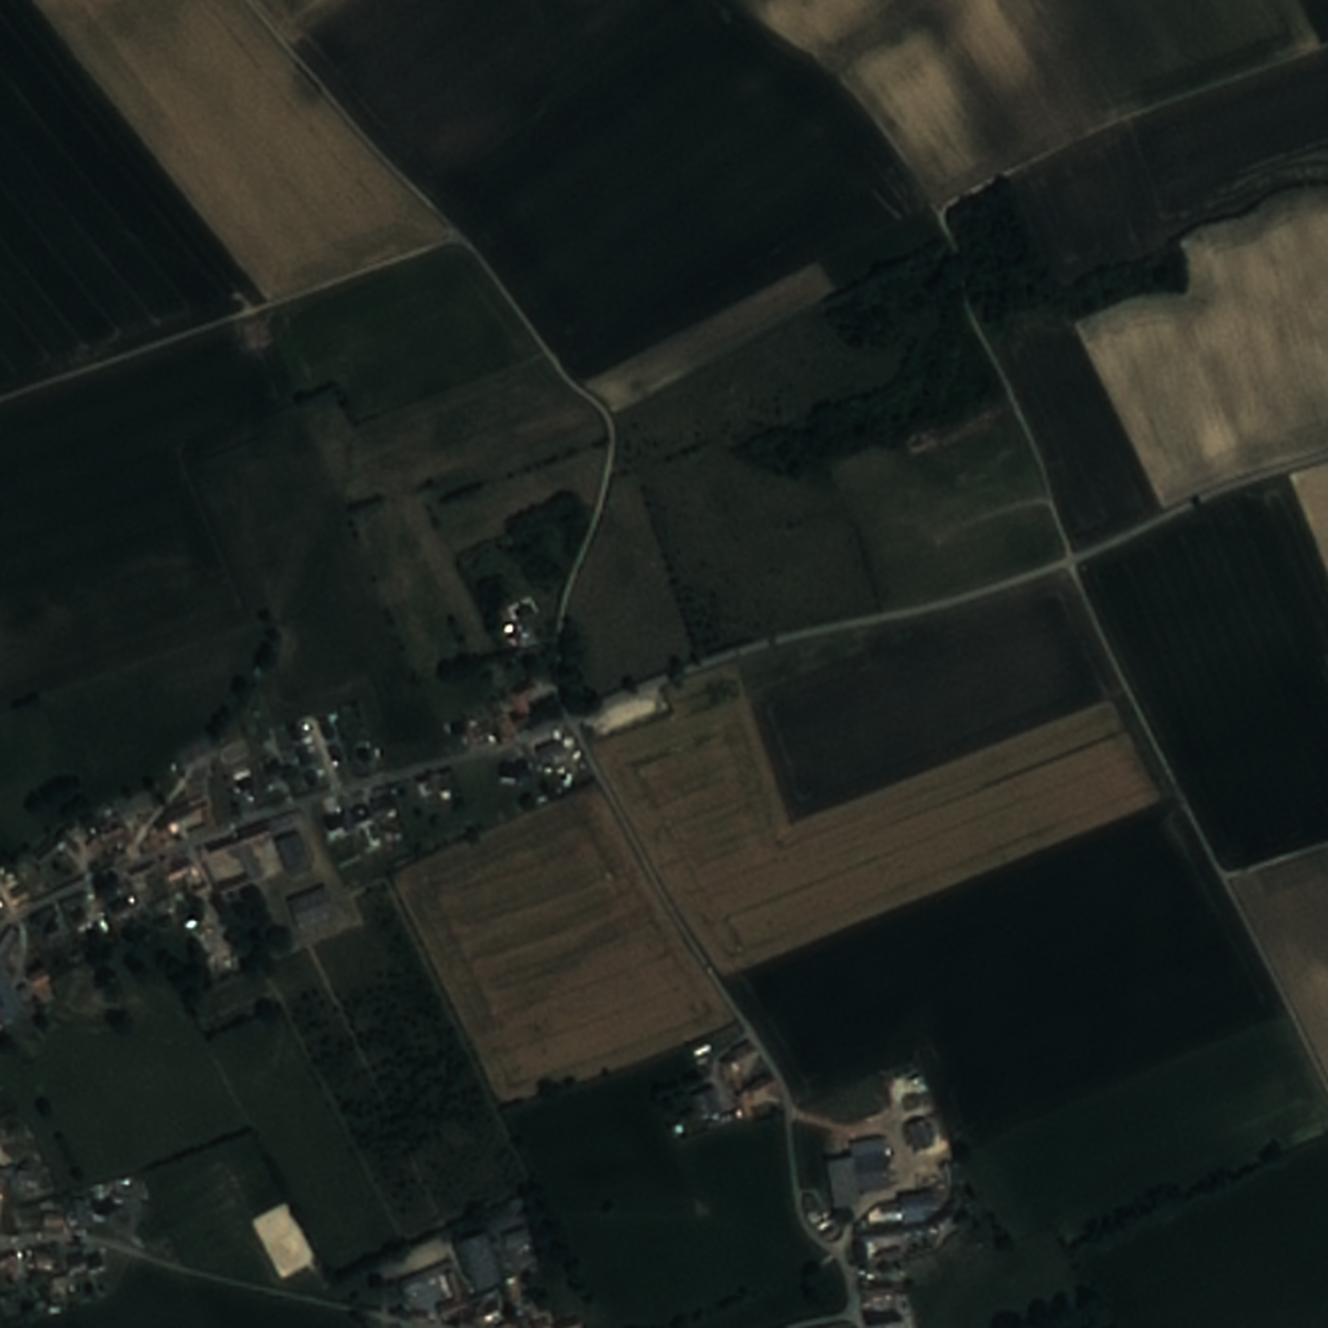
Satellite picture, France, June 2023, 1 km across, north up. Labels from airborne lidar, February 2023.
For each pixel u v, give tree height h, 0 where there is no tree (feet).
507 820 0
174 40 0
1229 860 0
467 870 0
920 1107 0
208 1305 0
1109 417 0
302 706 0
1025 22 0
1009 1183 0
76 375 0
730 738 0
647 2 0
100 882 38
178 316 0
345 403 35
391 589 0
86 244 0
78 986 0
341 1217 0
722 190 0
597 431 0
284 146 0
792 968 0
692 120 0
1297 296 0
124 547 0
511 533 21
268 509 0
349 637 0
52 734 0
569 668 46
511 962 0
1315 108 0
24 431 0
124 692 0
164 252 0
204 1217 0
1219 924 0
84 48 0
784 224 0
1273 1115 0
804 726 0
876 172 0
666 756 0
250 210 0
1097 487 0
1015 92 0
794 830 0
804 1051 0
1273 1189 0
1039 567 0
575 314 0
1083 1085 0
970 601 0
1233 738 0
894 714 0
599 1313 0
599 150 0
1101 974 0
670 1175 0
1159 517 0
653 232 0
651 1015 0
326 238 0
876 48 0
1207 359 0
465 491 18
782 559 0
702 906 0
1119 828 0
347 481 0
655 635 0
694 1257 0
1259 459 0
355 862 0
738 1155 0
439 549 0
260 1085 0
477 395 0
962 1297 0
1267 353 0
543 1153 0
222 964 0
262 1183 0
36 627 0
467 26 0
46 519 0
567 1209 0
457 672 43
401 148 0
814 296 0
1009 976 0
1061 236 0
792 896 0
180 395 0
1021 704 0
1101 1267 0
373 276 0
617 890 0
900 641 0
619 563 0
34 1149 0
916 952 0
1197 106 0
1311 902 0
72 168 0
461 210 0
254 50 0
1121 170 0
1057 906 0
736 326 0
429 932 0
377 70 0
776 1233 0
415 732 0
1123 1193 0
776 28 0
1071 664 0
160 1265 0
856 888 0
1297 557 0
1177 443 0
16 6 0
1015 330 0
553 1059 0
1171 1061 0
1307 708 0
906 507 0
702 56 0
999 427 0
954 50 0
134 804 0
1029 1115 0
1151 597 0
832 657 0
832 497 0
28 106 0
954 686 0
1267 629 0
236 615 0
